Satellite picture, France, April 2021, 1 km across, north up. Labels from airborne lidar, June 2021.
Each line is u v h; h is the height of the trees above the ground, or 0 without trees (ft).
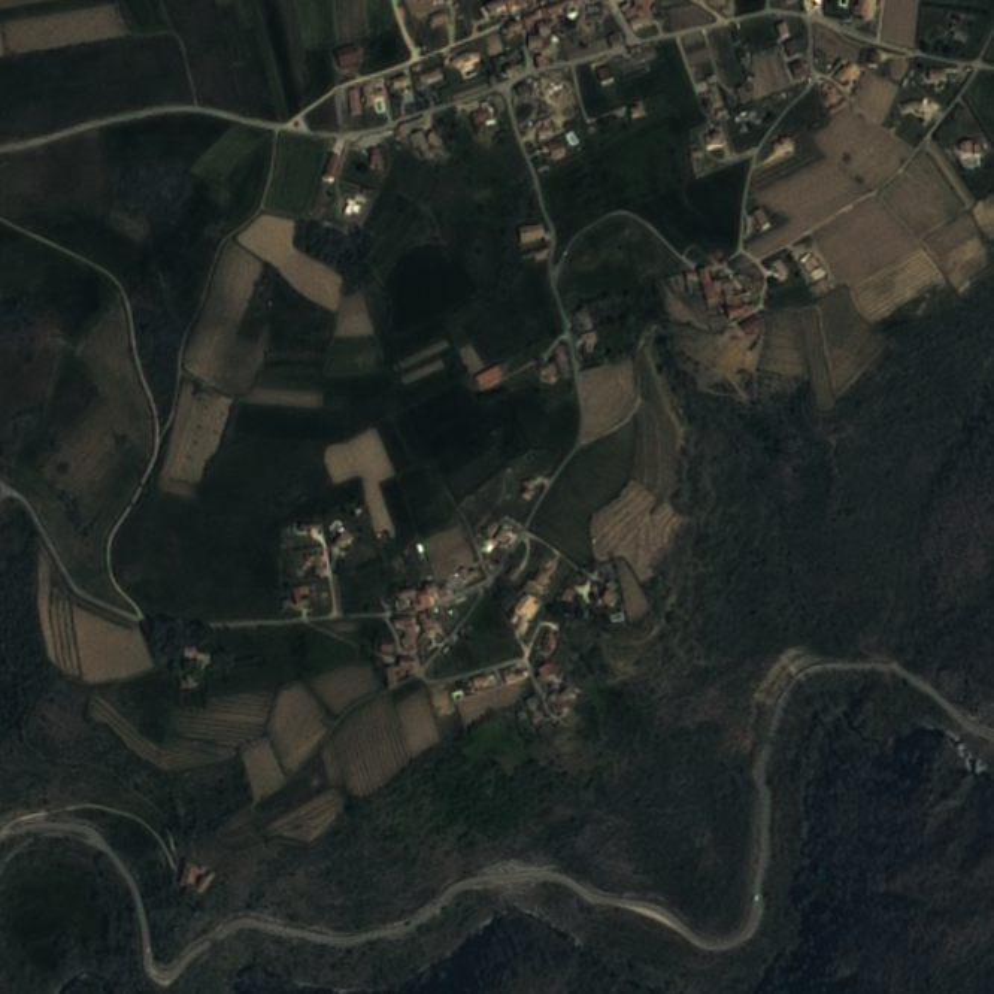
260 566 0
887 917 18
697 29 0
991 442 35
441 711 0
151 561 0
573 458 0
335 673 0
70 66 0
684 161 0
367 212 0
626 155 0
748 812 42
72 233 0
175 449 0
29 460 0
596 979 42
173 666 34
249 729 0
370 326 0
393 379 0
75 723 0
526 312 0
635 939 37
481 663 0
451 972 49
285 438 0
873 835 26
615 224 0
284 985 43
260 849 0
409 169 0
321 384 0
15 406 0
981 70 0
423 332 0
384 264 0
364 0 0
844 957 32
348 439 0
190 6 0
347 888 27
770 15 0
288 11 0
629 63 0
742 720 20
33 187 0
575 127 27
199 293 0
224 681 0
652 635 0
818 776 62
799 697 62
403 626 0
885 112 0
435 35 0
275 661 0
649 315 35
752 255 0
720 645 24
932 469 52
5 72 0
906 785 18
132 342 0
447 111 0
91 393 0
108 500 0
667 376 39
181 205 0
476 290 0
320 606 0
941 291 0
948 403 47
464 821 21
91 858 31
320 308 0
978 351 37
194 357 0
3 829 0
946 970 25
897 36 0
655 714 25
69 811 20
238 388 0
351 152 0
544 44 18
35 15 0
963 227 0
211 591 0
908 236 0
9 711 28
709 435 39
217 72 0
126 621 0
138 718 0
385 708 0
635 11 0
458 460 0
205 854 0
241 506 0
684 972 22
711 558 34
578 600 35
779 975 51
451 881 0
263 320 0
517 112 0
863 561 28
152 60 0
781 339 0
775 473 33
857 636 32
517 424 0
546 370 0
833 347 0
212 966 31
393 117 0
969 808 37
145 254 0
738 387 0
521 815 24
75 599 0
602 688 0
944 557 39
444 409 0
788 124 0
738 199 0
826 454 20
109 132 0
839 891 41
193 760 0
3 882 37
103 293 0
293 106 0
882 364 0
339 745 0
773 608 28
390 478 0
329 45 0
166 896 31
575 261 0
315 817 0
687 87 0
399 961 23
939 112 0
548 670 0
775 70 0
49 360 0
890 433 37
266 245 0
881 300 0
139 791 35
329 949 29
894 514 34
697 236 0
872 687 25
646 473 0
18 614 20
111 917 35
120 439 33
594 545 0
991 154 0
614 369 0
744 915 28
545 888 33
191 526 0
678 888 39
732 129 0
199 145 0
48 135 0
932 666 19
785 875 58
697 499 21
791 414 20
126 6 0
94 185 0
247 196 0
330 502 0
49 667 30
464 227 0
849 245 0
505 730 0
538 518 0
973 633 39
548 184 0
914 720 28
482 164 0
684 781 22
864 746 31
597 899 0
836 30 0
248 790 22
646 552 0
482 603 0
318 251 35
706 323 0
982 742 0
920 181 0
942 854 19
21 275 0
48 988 47
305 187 0
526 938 25
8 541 34
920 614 21
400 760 0
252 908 32
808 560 27
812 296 0
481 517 0
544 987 22
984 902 24
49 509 0
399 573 0
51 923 0
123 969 24
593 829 0
